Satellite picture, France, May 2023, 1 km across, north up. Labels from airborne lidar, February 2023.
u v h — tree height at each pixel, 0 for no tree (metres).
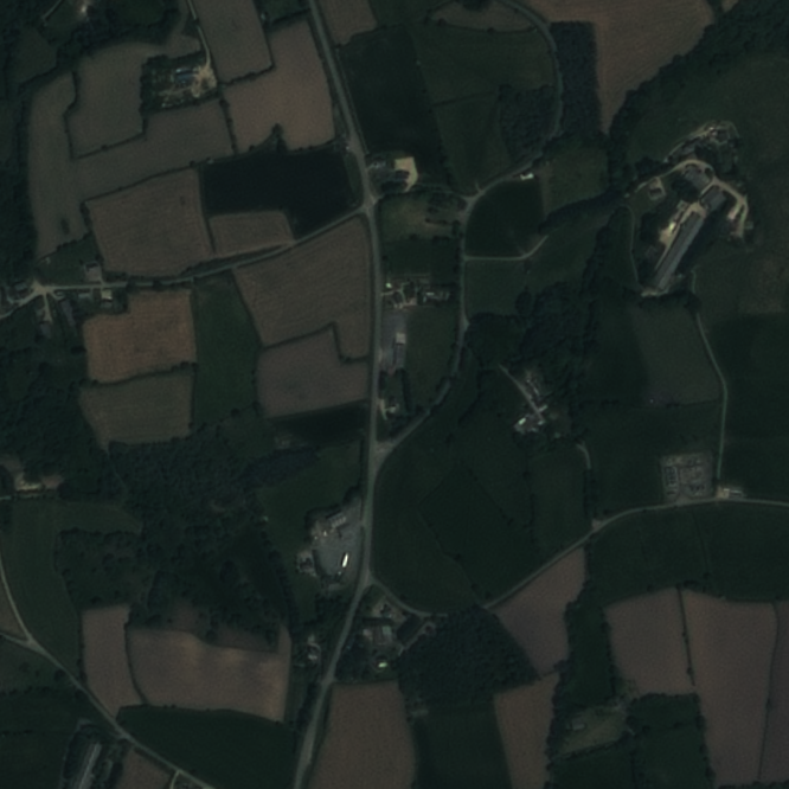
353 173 0
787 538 0
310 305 0
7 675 0
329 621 9
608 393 0
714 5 14
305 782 0
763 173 0
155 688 0
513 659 13
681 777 0
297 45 0
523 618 0
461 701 13
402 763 0
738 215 0
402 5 0
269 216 0
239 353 0
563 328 22
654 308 10
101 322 0
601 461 0
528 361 14
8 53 20
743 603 0
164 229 0
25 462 7
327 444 0
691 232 0
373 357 0
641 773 10
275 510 0
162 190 0
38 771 0
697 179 0
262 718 0
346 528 0
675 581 0
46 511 0
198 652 0
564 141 16
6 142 0
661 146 0
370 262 0
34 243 11
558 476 0
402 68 0
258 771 0
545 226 13
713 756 0
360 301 0
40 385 8
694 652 0
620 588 0
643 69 0
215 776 0
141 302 0
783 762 0
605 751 12
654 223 9
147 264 0
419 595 0
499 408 7
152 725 0
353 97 0
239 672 0
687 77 6
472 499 0
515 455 0
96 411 0
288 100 0
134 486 16
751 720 0
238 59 0
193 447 6
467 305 0
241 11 0
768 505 0
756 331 0
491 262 0
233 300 0
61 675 14
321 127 0
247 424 0
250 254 0
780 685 0
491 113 0
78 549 0
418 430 0
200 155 0
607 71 0
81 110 0
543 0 0
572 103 13
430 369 0
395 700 0
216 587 0
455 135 0
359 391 0
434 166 0
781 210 0
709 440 0
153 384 0
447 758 0
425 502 0
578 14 0
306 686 0
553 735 14
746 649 0
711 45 15
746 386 0
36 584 0
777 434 0
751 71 0
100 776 6
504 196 0
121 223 0
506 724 0
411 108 0
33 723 0
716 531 0
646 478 0
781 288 0
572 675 14
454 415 0
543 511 0
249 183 0
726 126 0
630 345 0
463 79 0
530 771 0
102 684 0
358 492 12
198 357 0
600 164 0
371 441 0
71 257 0
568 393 11
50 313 0
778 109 0
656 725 0
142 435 0
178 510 12
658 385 0
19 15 12
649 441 0
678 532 0
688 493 0
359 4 0
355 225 0
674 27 0
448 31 0
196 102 7
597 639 0
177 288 7
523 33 0
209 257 0
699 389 0
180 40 0
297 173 0
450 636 14
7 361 7
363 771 0
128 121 0
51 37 8
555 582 0
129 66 0
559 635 0
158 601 16
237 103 0
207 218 0
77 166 0
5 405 9
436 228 0
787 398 0
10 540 0
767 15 7
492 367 18
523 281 0
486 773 0
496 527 0
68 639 0
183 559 11
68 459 6
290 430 0
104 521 0
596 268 15
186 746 0
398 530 0
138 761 0
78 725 0
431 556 0
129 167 0
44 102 0
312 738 0
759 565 0
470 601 0
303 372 0
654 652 0
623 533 0
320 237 0
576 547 0
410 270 0
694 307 18
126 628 9
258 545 0
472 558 0
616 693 7
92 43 28
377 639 0
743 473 0
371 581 0
